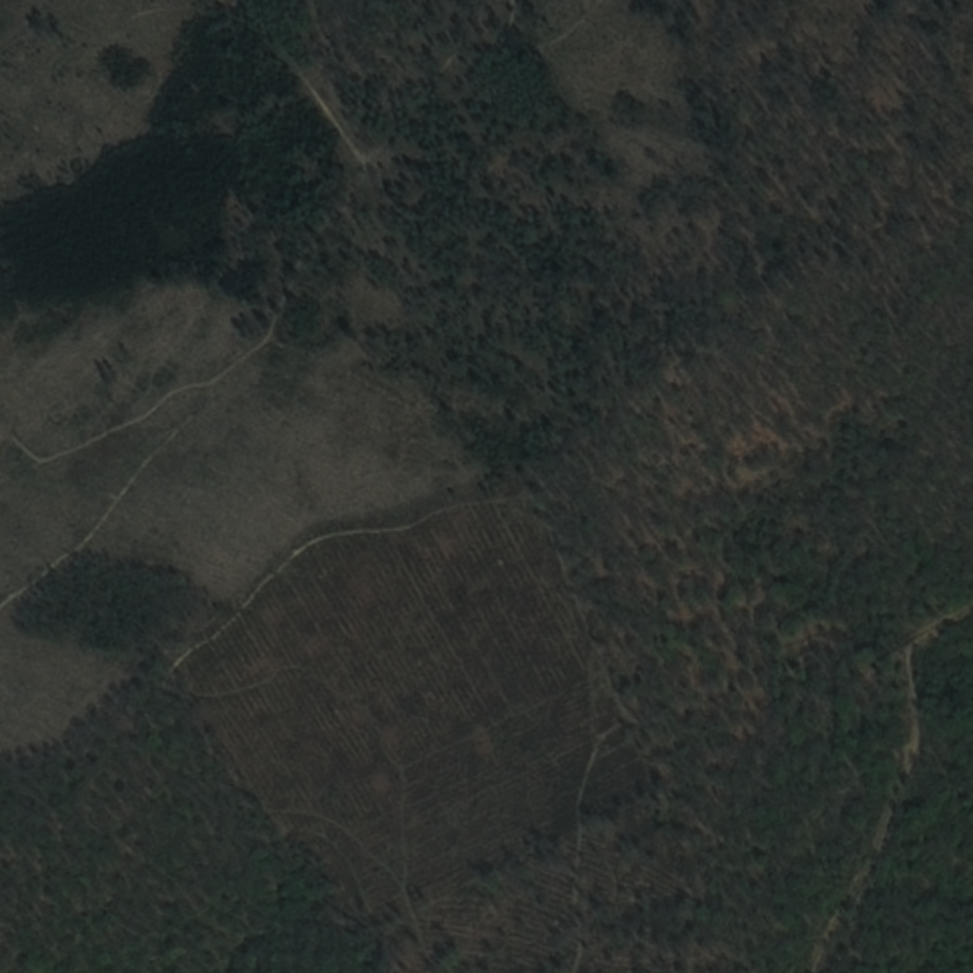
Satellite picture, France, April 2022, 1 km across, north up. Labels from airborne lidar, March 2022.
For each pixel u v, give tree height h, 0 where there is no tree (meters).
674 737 23
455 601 0
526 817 0
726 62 29
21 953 27
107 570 20
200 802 29
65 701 0
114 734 26
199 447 0
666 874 0
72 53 0
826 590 22
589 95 0
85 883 22
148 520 0
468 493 0
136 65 7
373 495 0
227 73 9
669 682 24
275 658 0
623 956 0
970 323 25
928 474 28
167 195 10
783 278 30
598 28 0
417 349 20
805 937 30
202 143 10
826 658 33
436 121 24
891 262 24
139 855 27
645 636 27
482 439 7
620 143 0
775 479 14
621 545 26
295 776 0
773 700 31
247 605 0
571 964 0
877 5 10
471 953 0
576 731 0
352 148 0
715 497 28
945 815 30
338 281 21
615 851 0
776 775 31
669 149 0
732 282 24
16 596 0
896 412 24
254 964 24
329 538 0
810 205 28
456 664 0
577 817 0
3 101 0
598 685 0
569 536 29
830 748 30
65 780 30
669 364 20
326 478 0
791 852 34
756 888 17
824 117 27
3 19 0
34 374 0
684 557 29
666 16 24
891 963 34
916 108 20
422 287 26
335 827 0
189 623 24
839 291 27
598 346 24
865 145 28
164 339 0
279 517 0
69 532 0
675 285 23
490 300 25
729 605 28
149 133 7
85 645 14
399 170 18
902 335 23
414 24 23
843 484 21
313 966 23
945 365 21
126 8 0
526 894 29
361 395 0
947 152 25
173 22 0
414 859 0
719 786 30
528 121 20
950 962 30
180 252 8
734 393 30
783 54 18
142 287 0
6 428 0
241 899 29
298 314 14
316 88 0
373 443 0
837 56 0
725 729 28
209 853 27
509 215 24
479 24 25
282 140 10
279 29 30
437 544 0
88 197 11
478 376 25
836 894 23
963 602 27
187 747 30
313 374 0
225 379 0
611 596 23
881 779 24
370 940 24
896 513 28
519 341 19
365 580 0
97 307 0
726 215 25
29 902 28
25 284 11
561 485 27
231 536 0
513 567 0
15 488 0
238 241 25
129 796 28
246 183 13
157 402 0
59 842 29
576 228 19
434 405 6
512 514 0
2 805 32
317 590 0
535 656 0
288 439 0
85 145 0
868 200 29
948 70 25
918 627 23
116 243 11
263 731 0
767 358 27
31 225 11
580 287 22
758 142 27
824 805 32
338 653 0
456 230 24
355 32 24
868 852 24
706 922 31
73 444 0
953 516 26
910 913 31
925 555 26
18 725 0
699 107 23
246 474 0
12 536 0
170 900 30
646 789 0
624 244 22
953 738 23
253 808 27
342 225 26
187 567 0
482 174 27
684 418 26
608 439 27
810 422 30
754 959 31
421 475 0
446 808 0
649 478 27
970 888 32
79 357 0
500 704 0
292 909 27
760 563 29
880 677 25
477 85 19
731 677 28
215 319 0
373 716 0
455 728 0
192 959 31
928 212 29
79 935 27
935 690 26
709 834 29
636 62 0
